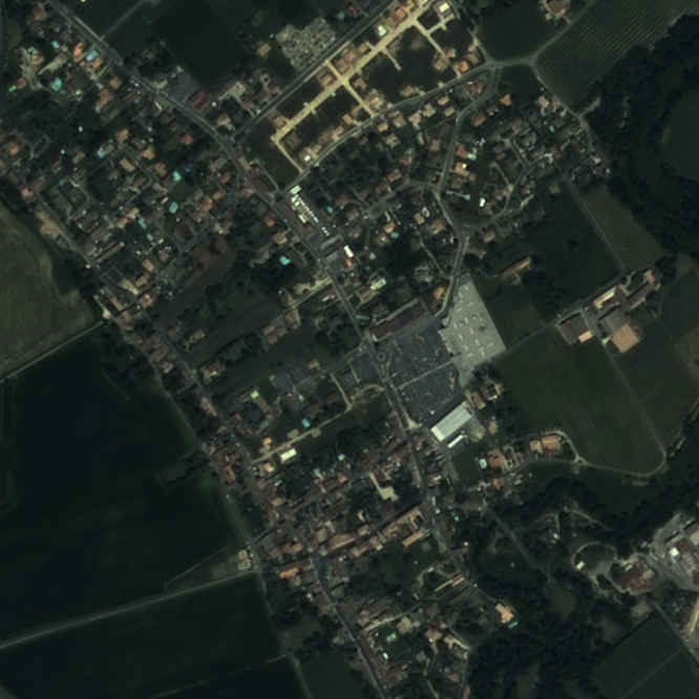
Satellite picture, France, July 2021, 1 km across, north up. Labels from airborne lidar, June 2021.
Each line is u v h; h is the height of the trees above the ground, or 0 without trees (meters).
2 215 0
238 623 0
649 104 17
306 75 0
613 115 6
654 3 0
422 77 0
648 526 10
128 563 0
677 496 11
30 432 0
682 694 0
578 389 0
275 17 0
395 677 0
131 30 0
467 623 7
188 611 0
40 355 0
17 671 0
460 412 0
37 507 0
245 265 9
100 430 0
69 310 0
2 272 0
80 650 0
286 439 0
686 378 0
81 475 0
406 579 0
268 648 0
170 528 0
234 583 0
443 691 7
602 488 0
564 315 0
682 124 0
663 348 0
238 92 0
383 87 0
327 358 0
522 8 0
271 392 0
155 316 6
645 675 0
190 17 0
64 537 0
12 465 8
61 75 7
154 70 6
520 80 0
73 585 0
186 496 0
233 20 0
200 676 0
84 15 0
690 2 0
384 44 0
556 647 15
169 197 0
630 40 0
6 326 0
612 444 0
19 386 0
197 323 0
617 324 0
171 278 0
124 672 0
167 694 0
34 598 0
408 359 0
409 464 0
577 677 6
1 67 0
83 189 0
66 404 0
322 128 0
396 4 0
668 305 0
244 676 0
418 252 8
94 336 0
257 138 0
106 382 0
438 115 0
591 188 9
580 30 0
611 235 0
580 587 23
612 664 0
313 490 0
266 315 0
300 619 12
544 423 0
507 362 0
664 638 0
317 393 0
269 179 0
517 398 0
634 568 0
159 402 0
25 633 0
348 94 0
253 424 7
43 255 0
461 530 9
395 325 0
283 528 0
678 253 9
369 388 0
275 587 11
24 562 0
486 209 0
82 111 7
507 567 0
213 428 11
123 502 0
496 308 0
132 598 0
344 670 0
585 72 0
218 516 0
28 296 0
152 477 0
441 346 0
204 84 0
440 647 10
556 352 0
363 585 10
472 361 0
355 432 8
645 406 0
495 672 19
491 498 7
